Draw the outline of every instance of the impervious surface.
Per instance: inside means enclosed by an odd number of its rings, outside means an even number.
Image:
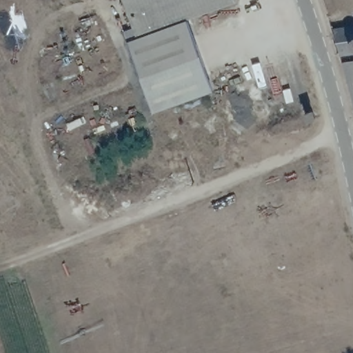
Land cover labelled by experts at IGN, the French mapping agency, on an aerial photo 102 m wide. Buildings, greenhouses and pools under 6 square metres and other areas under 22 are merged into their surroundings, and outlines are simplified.
[[[330,102],[331,116],[334,117],[353,205],[353,83],[346,83],[342,58],[335,54],[332,29],[323,0],[298,0],[307,34],[312,41],[314,65],[323,76],[323,87],[327,91],[327,101]]]

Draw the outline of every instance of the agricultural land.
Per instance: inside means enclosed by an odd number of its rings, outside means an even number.
[[[335,171],[335,154],[330,148],[320,148],[291,163],[273,168],[266,174],[244,179],[233,185],[228,193],[219,192],[193,203],[179,204],[172,210],[128,223],[113,232],[103,233],[65,250],[0,273],[0,353],[353,353],[353,232],[346,223],[349,221],[349,210],[342,207],[342,194]]]

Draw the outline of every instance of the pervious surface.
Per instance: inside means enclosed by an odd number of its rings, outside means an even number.
[[[172,210],[179,204],[193,203],[219,192],[228,193],[233,185],[244,179],[266,174],[273,168],[291,163],[320,148],[330,148],[335,154],[335,171],[342,194],[342,207],[349,210],[349,221],[346,223],[353,232],[353,205],[334,117],[331,116],[330,102],[327,101],[327,91],[323,87],[323,76],[314,65],[312,41],[307,34],[298,0],[239,0],[239,8],[239,14],[230,15],[218,26],[211,26],[207,28],[207,32],[197,34],[196,37],[197,47],[207,72],[229,62],[241,65],[248,59],[261,59],[266,55],[270,57],[284,52],[302,52],[316,87],[320,117],[324,120],[323,130],[316,137],[302,142],[296,149],[287,150],[283,156],[277,154],[262,160],[261,163],[237,168],[236,171],[211,182],[201,183],[199,171],[172,174],[174,188],[153,190],[145,197],[145,201],[123,201],[121,207],[108,211],[105,207],[97,207],[97,201],[90,203],[87,194],[80,193],[79,190],[73,189],[73,186],[58,186],[48,164],[41,135],[43,130],[40,127],[33,128],[30,131],[30,145],[34,156],[39,160],[41,171],[46,175],[47,188],[50,190],[52,203],[57,208],[63,230],[52,230],[41,240],[44,245],[30,248],[25,254],[12,256],[7,259],[7,263],[0,265],[0,273],[65,250],[103,233],[113,232],[128,223]]]
[[[106,84],[108,90],[112,92],[125,87],[132,72],[137,70],[130,52],[131,41],[139,40],[130,26],[134,14],[125,14],[121,11],[121,6],[124,6],[123,0],[84,0],[83,3],[70,4],[63,8],[66,12],[73,11],[79,15],[97,12],[105,21],[123,63],[123,74],[116,81]]]

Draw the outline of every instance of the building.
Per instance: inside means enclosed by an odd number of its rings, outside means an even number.
[[[332,29],[335,54],[342,58],[346,83],[353,83],[353,32],[347,30],[345,33],[343,28]]]
[[[196,37],[189,22],[190,18],[199,19],[201,15],[212,14],[222,8],[239,8],[239,0],[123,0],[124,6],[121,6],[121,11],[125,14],[134,14],[130,26],[139,40],[131,41],[130,52],[137,70],[143,95],[148,102],[150,113],[154,114],[181,105],[190,99],[210,95],[210,85],[203,74],[207,72],[197,47]]]

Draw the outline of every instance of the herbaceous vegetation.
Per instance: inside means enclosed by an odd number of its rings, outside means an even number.
[[[196,37],[197,34],[207,32],[207,28],[211,26],[218,26],[230,15],[239,14],[239,8],[222,8],[212,14],[201,15],[199,19],[190,18],[189,22]]]
[[[116,81],[123,74],[123,63],[105,21],[97,12],[79,15],[73,11],[66,12],[63,8],[70,4],[83,3],[84,0],[0,0],[0,265],[7,263],[7,259],[12,256],[25,254],[30,248],[44,245],[41,240],[52,230],[63,230],[57,208],[52,203],[50,190],[47,188],[46,175],[41,171],[39,160],[34,156],[30,145],[30,131],[33,128],[40,127],[43,130],[41,135],[48,164],[58,186],[73,186],[73,189],[79,190],[80,193],[87,194],[90,203],[97,201],[97,207],[105,207],[108,211],[121,207],[123,201],[145,201],[145,197],[153,190],[174,188],[172,174],[199,171],[201,183],[211,182],[236,171],[237,168],[261,163],[262,160],[277,154],[283,156],[287,150],[296,149],[302,142],[316,137],[323,130],[324,120],[320,117],[316,87],[302,52],[284,52],[270,57],[266,55],[261,59],[248,59],[241,65],[229,62],[207,72],[203,74],[210,85],[210,95],[190,99],[181,105],[154,114],[150,113],[148,102],[143,95],[137,70],[132,72],[125,87],[112,92],[108,90],[106,84]],[[95,163],[99,152],[109,142],[131,137],[132,125],[135,125],[134,114],[138,112],[146,119],[146,127],[138,130],[143,132],[146,138],[152,138],[152,149],[149,150],[148,156],[134,159],[131,164],[117,160],[119,181],[109,183],[106,179],[102,183],[95,182],[95,172],[91,171],[90,164]]]
[[[345,33],[347,30],[353,32],[353,0],[323,0],[332,29],[343,28]]]

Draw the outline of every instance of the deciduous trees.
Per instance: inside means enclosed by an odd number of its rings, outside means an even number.
[[[99,152],[95,163],[90,164],[91,171],[95,172],[95,182],[102,183],[106,179],[109,183],[119,181],[117,160],[131,164],[134,159],[148,156],[149,150],[152,149],[152,138],[146,138],[143,132],[138,130],[146,127],[146,119],[138,112],[134,114],[135,125],[132,125],[131,137],[109,142]]]

